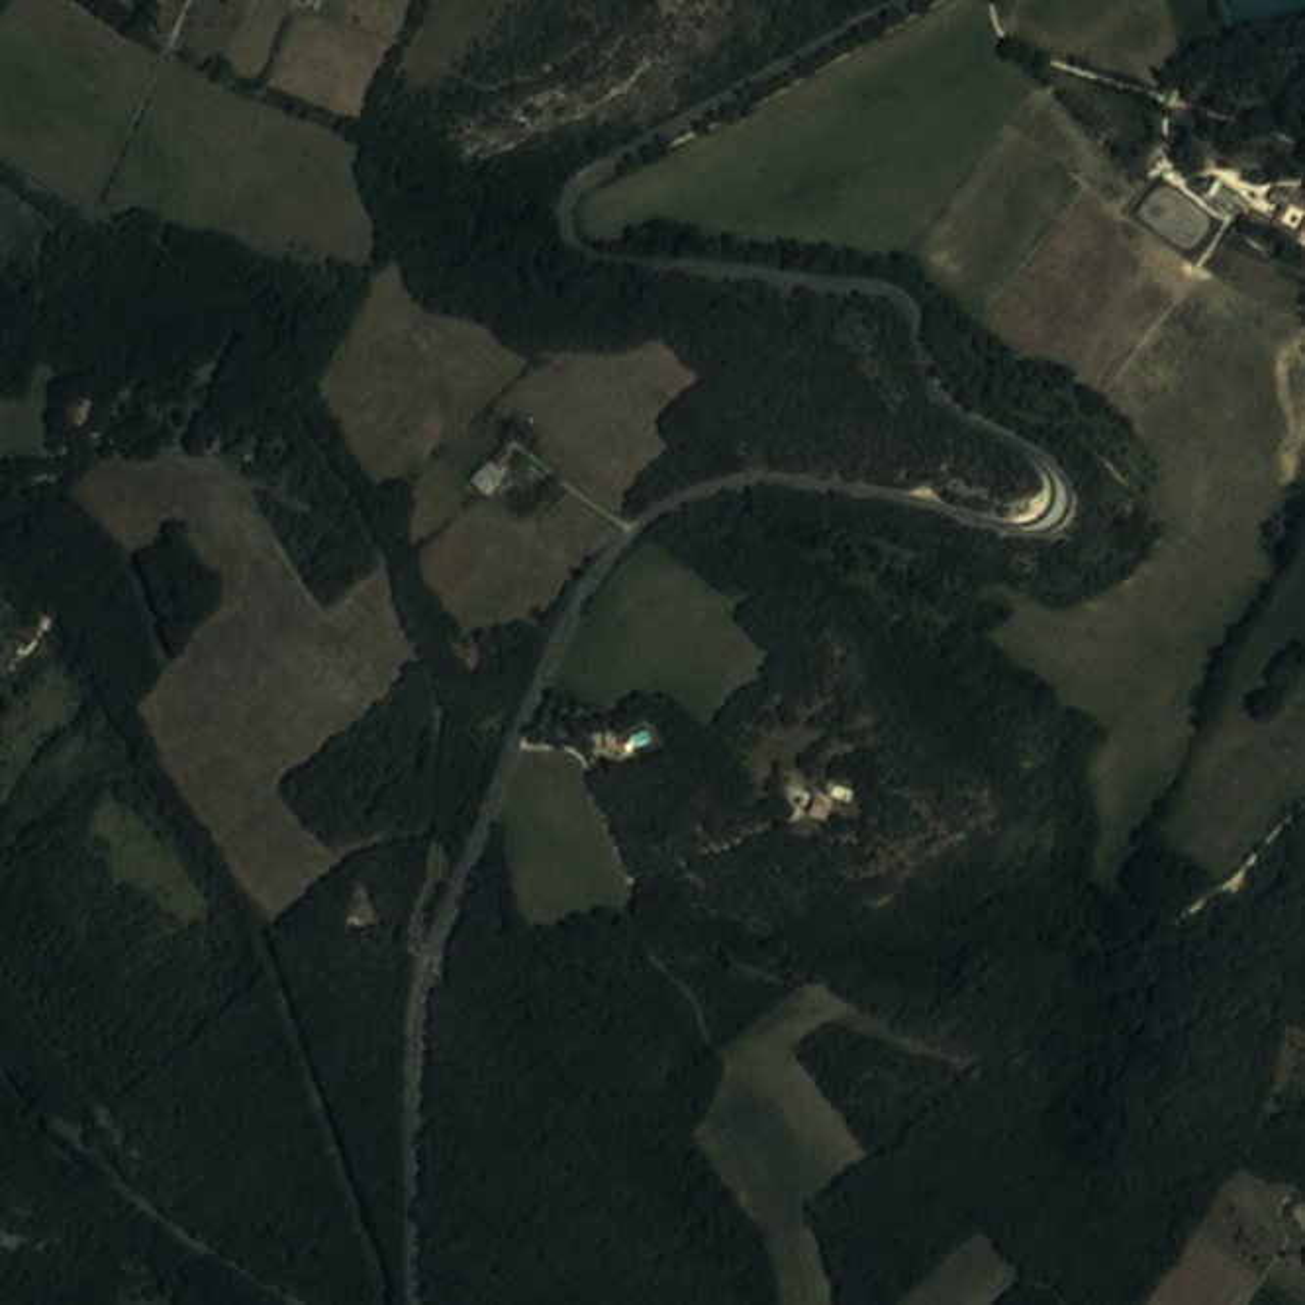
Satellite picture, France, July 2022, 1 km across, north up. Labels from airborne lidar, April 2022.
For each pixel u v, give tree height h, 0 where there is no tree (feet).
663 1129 48
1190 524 0
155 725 0
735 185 0
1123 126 0
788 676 38
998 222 0
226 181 0
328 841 39
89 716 41
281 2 0
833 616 29
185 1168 48
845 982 46
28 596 48
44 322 47
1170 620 0
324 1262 65
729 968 55
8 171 23
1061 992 79
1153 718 0
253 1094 50
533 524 0
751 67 37
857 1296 72
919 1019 44
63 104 0
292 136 0
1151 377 0
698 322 29
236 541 0
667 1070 55
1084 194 0
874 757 28
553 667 0
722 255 24
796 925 41
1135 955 78
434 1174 64
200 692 0
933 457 25
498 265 80
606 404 0
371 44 0
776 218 0
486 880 63
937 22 0
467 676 36
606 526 0
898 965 28
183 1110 35
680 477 26
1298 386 0
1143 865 52
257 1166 35
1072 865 36
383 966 54
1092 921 54
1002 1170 56
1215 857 0
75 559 66
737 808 44
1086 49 0
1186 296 0
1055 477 0
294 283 44
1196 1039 34
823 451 26
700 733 47
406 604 46
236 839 0
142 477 0
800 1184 0
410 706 41
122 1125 26
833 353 29
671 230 45
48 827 32
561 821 0
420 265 58
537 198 57
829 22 52
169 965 25
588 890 0
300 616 0
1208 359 0
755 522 64
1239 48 93
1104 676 0
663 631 0
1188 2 0
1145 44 0
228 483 0
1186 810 0
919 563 24
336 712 0
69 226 31
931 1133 57
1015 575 22
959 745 53
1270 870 25
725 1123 0
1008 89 0
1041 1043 46
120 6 42
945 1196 62
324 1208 49
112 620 62
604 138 32
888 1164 53
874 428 32
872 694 35
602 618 0
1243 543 0
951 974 36
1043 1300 29
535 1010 63
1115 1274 52
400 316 0
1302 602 0
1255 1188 0
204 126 0
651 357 0
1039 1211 64
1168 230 0
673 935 58
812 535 30
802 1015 0
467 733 41
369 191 37
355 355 0
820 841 30
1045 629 0
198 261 55
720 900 40
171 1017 21
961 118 0
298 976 56
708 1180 52
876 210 0
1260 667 0
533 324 65
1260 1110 32
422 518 0
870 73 0
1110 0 0
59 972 24
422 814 67
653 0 24
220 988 28
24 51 0
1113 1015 77
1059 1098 44
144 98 0
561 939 61
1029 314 0
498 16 0
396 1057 47
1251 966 38
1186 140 46
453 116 25
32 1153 52
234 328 63
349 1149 51
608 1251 45
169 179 0
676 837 43
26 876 24
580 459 0
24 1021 40
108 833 0
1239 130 64
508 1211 57
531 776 0
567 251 50
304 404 52
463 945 59
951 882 43
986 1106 42
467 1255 62
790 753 0
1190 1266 0
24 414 0
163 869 0
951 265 0
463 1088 52
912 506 29
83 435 51
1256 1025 22
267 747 0
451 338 0
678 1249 55
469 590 0
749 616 44
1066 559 23
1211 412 0
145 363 51
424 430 0
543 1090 49
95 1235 33
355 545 46
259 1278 42
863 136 0
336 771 47
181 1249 46
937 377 59
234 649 0
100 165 0
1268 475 0
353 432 0
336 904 63
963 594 23
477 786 45
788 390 33
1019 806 27
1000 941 73
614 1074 55
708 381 34
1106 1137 75
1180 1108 28
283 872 0
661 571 0
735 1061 0
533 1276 64
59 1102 53
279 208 0
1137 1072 77
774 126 0
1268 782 0
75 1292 32
